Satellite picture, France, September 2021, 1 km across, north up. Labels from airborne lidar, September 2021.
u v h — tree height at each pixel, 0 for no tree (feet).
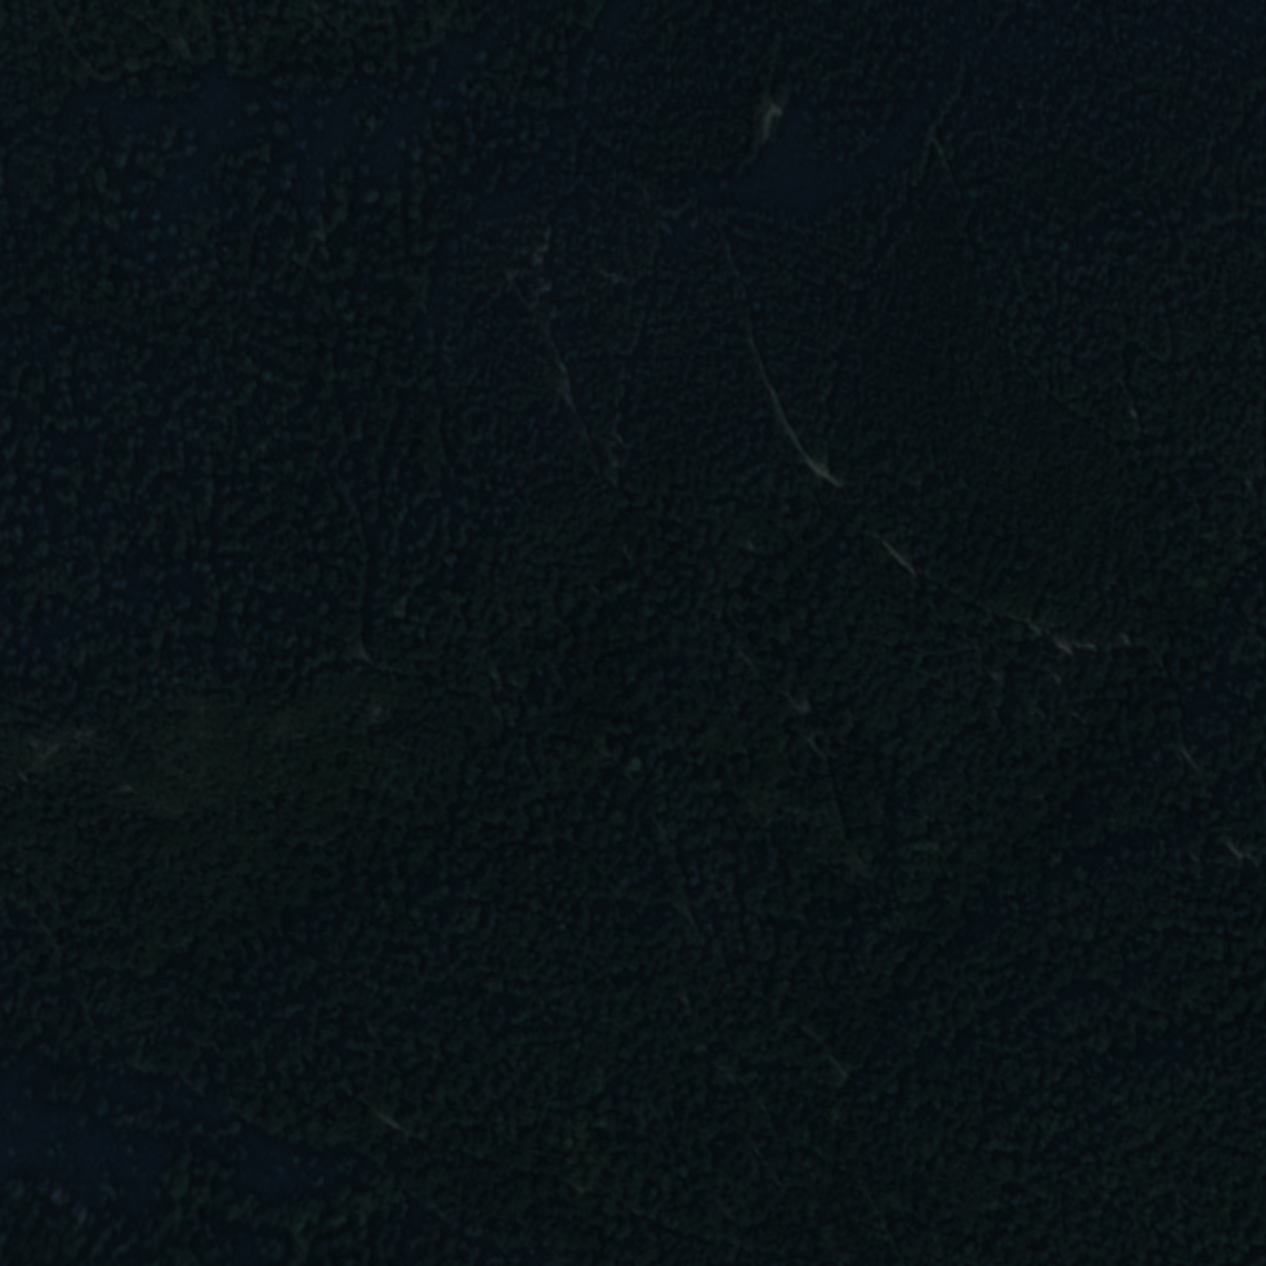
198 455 34
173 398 66
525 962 96
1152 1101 77
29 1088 81
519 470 102
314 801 95
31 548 89
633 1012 102
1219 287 87
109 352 88
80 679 73
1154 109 66
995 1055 83
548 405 85
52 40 80
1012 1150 64
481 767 42
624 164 68
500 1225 51
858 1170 50
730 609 99
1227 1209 86
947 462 61
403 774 46
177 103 103
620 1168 76
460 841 78
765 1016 72
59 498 95
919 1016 85
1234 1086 67
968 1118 69
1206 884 22
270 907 108
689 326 76
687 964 83
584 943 107
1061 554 58
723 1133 98
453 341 72
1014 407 65
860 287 68
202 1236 85
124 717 57
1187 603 82
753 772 89
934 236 73
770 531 81
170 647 98
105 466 84
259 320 85
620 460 69
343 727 90
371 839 95
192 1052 124
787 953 97
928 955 82
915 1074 80
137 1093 114
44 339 89
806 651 76
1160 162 82
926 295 65
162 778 71
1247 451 63
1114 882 94
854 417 59
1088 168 59
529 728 108
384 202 108
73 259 79
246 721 72
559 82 99
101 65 85
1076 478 77
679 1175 87
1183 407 70
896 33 45
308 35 62
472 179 29
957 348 63
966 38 68
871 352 62
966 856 101
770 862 96
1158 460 75
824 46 63
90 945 34
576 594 124
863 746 63
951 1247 52
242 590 82
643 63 75
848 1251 60
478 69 87
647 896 98
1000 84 80
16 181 20
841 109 51
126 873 84
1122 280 71
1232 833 79
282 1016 143
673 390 75
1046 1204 61
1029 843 82
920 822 73
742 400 76
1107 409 75
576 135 72
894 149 76
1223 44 70
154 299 102
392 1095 29
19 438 96
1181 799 87
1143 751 81
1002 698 50
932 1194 77
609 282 88
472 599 103
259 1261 77
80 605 93
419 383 60
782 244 70
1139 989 86
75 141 82
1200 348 55
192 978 104
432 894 99
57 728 27
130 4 63
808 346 60
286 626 65
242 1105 88
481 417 73
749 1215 77
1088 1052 37
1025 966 25
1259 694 84
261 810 95
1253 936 95
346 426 30
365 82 60
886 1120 62
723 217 77
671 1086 55
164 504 86
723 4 61
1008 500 72
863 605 81
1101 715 96
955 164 62
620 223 82
